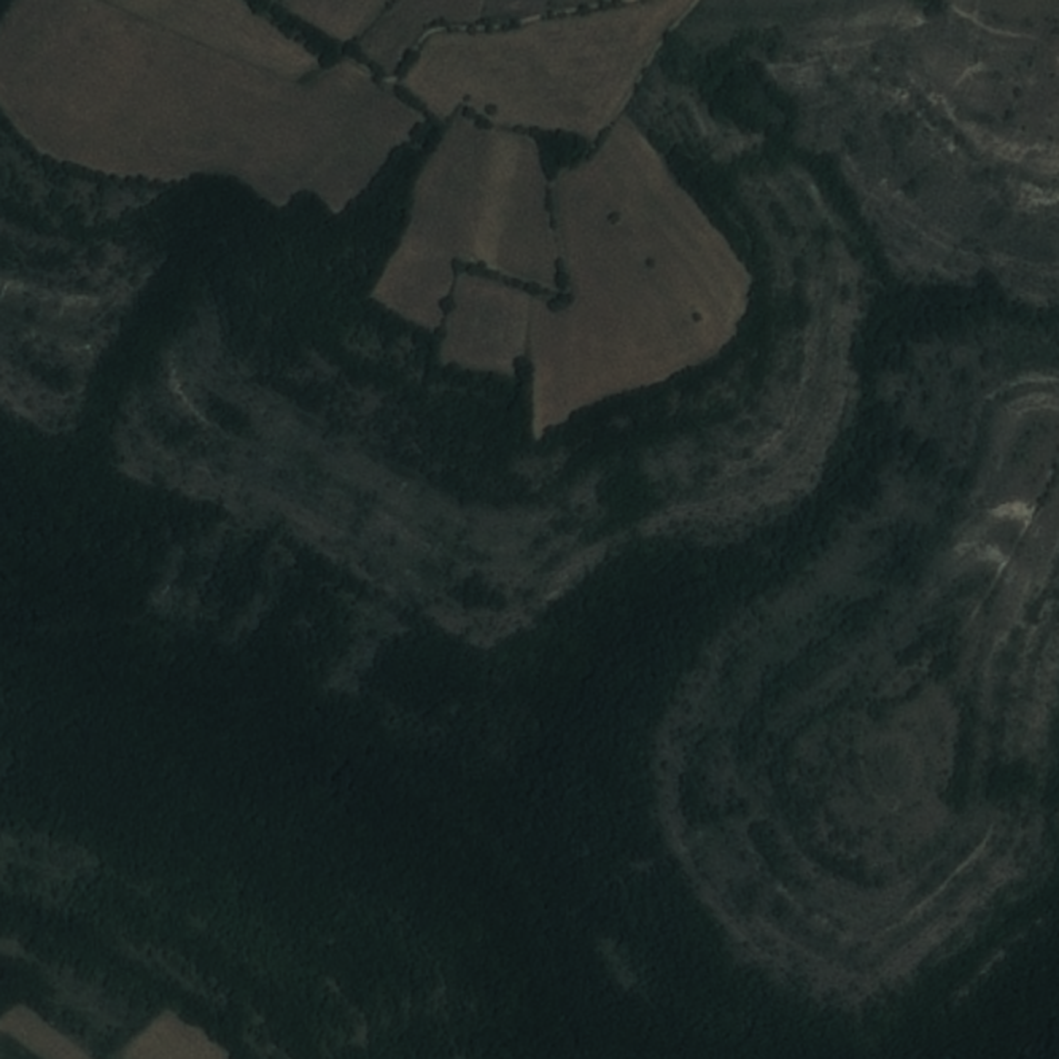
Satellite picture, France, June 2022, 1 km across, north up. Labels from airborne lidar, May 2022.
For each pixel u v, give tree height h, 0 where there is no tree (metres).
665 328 0
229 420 8
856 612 7
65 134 0
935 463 7
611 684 15
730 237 8
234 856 14
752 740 10
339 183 0
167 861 9
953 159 0
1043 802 8
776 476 0
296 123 0
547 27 0
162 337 9
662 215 0
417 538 0
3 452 13
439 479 9
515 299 0
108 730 14
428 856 16
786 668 7
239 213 6
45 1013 8
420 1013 8
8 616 18
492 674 10
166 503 11
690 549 8
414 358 6
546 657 11
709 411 6
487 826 16
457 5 0
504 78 0
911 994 7
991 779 9
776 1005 11
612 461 7
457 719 8
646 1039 13
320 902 13
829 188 6
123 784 19
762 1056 14
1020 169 0
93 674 18
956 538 0
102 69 0
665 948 13
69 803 13
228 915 11
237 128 0
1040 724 0
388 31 0
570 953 19
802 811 6
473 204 0
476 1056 11
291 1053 10
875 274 9
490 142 0
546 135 10
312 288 10
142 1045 0
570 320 0
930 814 0
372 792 21
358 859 14
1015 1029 23
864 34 0
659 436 10
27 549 15
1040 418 0
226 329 6
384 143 0
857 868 6
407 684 13
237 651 8
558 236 0
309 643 9
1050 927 7
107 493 13
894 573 7
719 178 9
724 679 7
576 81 0
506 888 17
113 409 10
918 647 6
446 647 11
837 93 0
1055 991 22
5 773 9
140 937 11
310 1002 9
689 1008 10
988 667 0
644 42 0
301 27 11
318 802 24
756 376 7
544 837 13
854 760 5
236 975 13
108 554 12
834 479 12
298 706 18
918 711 0
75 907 7
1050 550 0
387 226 9
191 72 0
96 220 7
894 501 0
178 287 12
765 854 8
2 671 17
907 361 11
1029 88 0
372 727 15
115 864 9
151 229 10
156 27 0
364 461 0
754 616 6
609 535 9
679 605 15
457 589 7
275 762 20
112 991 8
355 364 9
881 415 14
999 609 0
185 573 10
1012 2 0
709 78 9
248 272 8
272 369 7
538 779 11
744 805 10
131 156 0
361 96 0
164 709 19
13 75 0
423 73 0
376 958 11
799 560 15
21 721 15
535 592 6
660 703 11
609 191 0
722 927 6
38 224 10
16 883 9
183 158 0
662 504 10
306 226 10
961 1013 10
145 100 0
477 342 0
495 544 0
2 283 0
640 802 13
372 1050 12
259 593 6
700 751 7
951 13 0
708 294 0
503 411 8
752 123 13
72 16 0
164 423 6
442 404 9
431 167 0
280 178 0
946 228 0
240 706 22
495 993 19
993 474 0
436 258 0
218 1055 0
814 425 0
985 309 14
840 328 0
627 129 0
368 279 9
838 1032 8
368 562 6
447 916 18
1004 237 0
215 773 19
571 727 16
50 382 9
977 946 7
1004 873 0
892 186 0
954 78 0
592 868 13
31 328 0
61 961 11
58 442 10
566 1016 17
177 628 6
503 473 9
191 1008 16
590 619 16
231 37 0
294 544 6
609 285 0
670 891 10
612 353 0
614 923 14
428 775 23
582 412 8
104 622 20
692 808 10
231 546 6
